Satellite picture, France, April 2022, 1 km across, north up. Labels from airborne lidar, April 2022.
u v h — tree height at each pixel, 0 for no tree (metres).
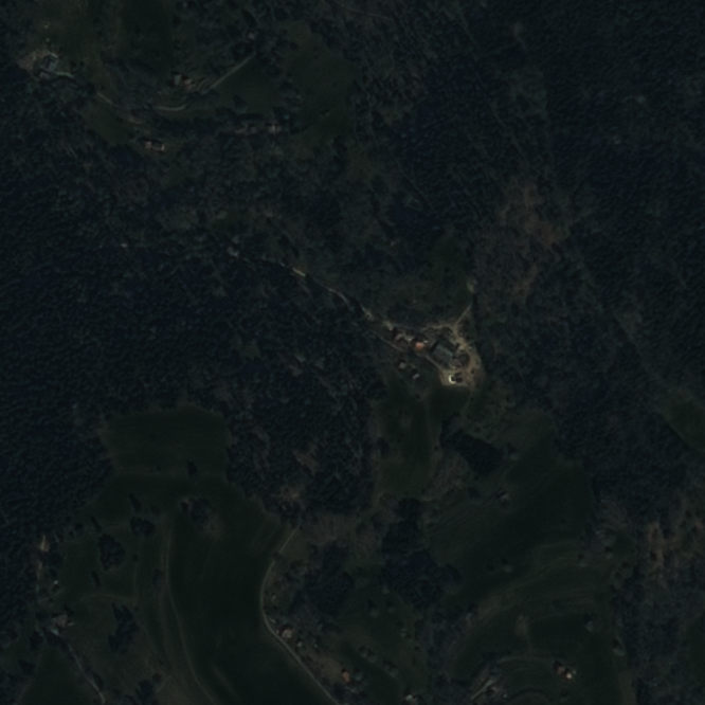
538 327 29
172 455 0
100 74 0
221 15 0
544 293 29
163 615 0
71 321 27
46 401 26
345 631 10
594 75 23
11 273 28
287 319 32
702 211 27
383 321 17
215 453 0
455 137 31
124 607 0
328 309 20
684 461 19
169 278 32
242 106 17
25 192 25
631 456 30
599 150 23
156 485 0
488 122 36
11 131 19
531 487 0
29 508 23
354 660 0
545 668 0
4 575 22
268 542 0
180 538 0
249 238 21
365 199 22
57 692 0
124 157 19
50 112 14
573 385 28
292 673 0
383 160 29
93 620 0
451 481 17
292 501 13
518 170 31
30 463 26
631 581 10
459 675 0
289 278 23
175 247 15
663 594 25
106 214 34
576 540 0
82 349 29
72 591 0
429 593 0
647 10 25
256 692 0
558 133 16
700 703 18
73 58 0
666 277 25
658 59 27
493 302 12
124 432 0
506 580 0
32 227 26
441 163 27
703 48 25
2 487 25
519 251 20
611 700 0
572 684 0
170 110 0
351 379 28
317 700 0
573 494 0
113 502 0
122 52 0
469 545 0
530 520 0
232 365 38
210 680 0
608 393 35
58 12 0
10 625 19
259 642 0
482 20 30
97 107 17
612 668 0
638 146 22
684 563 19
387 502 19
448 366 12
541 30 24
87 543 0
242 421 21
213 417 0
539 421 0
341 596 27
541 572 0
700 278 27
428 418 0
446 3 40
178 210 29
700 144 28
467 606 0
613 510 24
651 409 26
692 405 0
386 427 0
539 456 0
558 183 24
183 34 10
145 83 21
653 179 26
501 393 11
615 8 16
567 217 23
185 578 0
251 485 23
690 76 24
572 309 31
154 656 0
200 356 29
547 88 20
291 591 10
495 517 0
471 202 26
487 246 22
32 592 15
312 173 15
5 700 20
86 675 11
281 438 26
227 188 22
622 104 20
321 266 27
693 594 17
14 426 26
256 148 16
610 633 0
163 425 0
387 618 0
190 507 11
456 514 0
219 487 0
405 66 34
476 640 0
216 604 0
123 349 29
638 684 11
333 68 0
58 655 0
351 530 11
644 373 36
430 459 0
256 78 0
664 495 38
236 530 0
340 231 17
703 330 25
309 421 24
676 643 34
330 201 31
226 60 18
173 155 0
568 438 17
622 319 16
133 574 0
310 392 27
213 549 0
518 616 0
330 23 8
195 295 8
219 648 0
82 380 28
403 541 26
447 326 0
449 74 35
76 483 30
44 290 27
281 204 29
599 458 25
